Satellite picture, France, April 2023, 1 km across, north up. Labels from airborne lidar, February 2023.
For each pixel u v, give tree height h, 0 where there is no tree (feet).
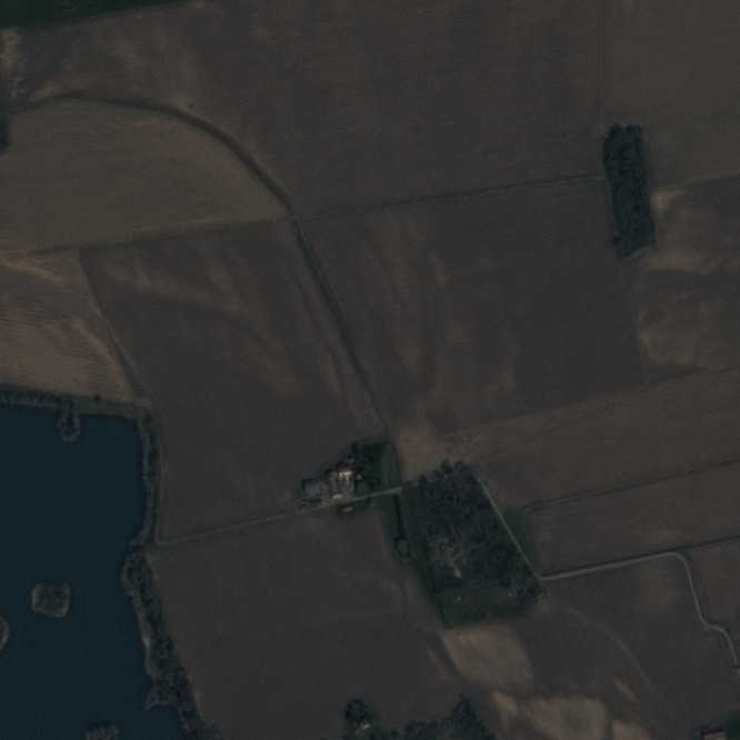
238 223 0
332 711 0
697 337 0
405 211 0
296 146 0
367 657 0
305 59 0
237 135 0
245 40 0
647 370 0
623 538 0
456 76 0
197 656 0
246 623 0
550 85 0
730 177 0
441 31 0
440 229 0
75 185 0
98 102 0
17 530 0
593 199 0
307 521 0
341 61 0
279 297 0
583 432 0
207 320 0
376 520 0
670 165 0
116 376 0
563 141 0
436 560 66
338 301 0
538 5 0
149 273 0
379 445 0
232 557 0
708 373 0
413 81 0
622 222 21
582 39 0
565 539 0
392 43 0
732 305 0
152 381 0
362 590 0
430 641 0
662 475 0
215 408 0
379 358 0
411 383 0
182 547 0
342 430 0
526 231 0
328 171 0
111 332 0
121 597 0
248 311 0
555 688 0
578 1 0
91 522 0
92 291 0
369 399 0
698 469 0
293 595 0
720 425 0
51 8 0
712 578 0
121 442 0
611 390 0
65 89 0
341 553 0
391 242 0
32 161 0
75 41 0
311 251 0
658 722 0
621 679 0
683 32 0
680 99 0
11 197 0
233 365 0
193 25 0
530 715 0
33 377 0
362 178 0
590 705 0
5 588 0
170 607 0
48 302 0
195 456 0
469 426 0
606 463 0
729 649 0
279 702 0
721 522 0
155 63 0
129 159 0
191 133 0
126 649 0
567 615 0
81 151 0
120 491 0
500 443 0
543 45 0
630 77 0
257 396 0
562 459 0
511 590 79
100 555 0
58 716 0
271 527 0
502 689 0
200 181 0
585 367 0
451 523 48
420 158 0
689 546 0
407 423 0
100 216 0
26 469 0
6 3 0
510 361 0
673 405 0
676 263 0
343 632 0
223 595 0
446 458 0
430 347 0
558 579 0
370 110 0
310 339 0
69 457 0
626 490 0
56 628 0
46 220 0
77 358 0
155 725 0
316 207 0
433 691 0
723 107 0
